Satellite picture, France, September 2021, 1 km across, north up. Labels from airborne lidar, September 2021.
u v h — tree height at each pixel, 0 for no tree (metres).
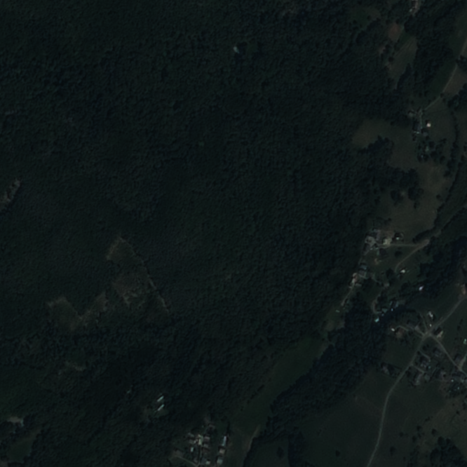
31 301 21
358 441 0
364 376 19
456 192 14
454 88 0
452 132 0
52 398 25
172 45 24
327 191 27
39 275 18
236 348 25
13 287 17
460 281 0
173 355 23
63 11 22
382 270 0
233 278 13
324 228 25
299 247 21
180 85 28
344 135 23
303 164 18
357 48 22
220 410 23
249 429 0
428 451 0
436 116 0
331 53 27
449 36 21
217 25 22
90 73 23
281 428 17
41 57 36
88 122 27
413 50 0
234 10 22
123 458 19
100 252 18
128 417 19
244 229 18
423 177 0
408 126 17
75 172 21
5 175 14
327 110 25
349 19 29
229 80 29
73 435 8
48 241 18
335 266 28
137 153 26
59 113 24
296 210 22
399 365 0
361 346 24
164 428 27
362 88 27
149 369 19
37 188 16
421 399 0
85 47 28
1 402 11
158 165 23
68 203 18
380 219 8
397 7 14
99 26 19
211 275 16
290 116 31
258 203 23
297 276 26
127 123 23
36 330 25
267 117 30
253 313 28
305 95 30
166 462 17
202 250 16
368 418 0
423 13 15
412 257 0
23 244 21
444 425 0
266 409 0
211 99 27
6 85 22
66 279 19
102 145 20
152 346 12
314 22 28
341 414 0
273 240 20
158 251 22
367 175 15
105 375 6
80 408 10
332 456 0
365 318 28
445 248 8
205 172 28
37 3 21
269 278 12
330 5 7
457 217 9
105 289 13
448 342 0
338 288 19
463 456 14
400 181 19
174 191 24
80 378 8
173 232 19
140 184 26
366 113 25
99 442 27
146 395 17
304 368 0
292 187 25
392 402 0
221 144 28
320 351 0
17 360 6
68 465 25
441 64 21
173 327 19
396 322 7
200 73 25
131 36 23
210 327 26
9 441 20
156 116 24
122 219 26
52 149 23
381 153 19
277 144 24
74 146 29
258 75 27
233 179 27
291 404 21
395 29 0
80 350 19
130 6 22
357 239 23
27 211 22
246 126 30
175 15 20
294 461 23
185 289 17
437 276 17
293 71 24
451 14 20
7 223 19
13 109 27
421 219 0
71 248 15
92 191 24
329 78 27
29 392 20
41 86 29
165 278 21
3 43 26
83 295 19
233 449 0
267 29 27
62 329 7
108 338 26
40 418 22
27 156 21
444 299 0
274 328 26
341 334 14
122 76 25
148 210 21
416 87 23
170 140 29
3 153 19
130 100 25
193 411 23
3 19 25
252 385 29
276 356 10
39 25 20
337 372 25
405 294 9
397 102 20
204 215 17
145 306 6
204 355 19
